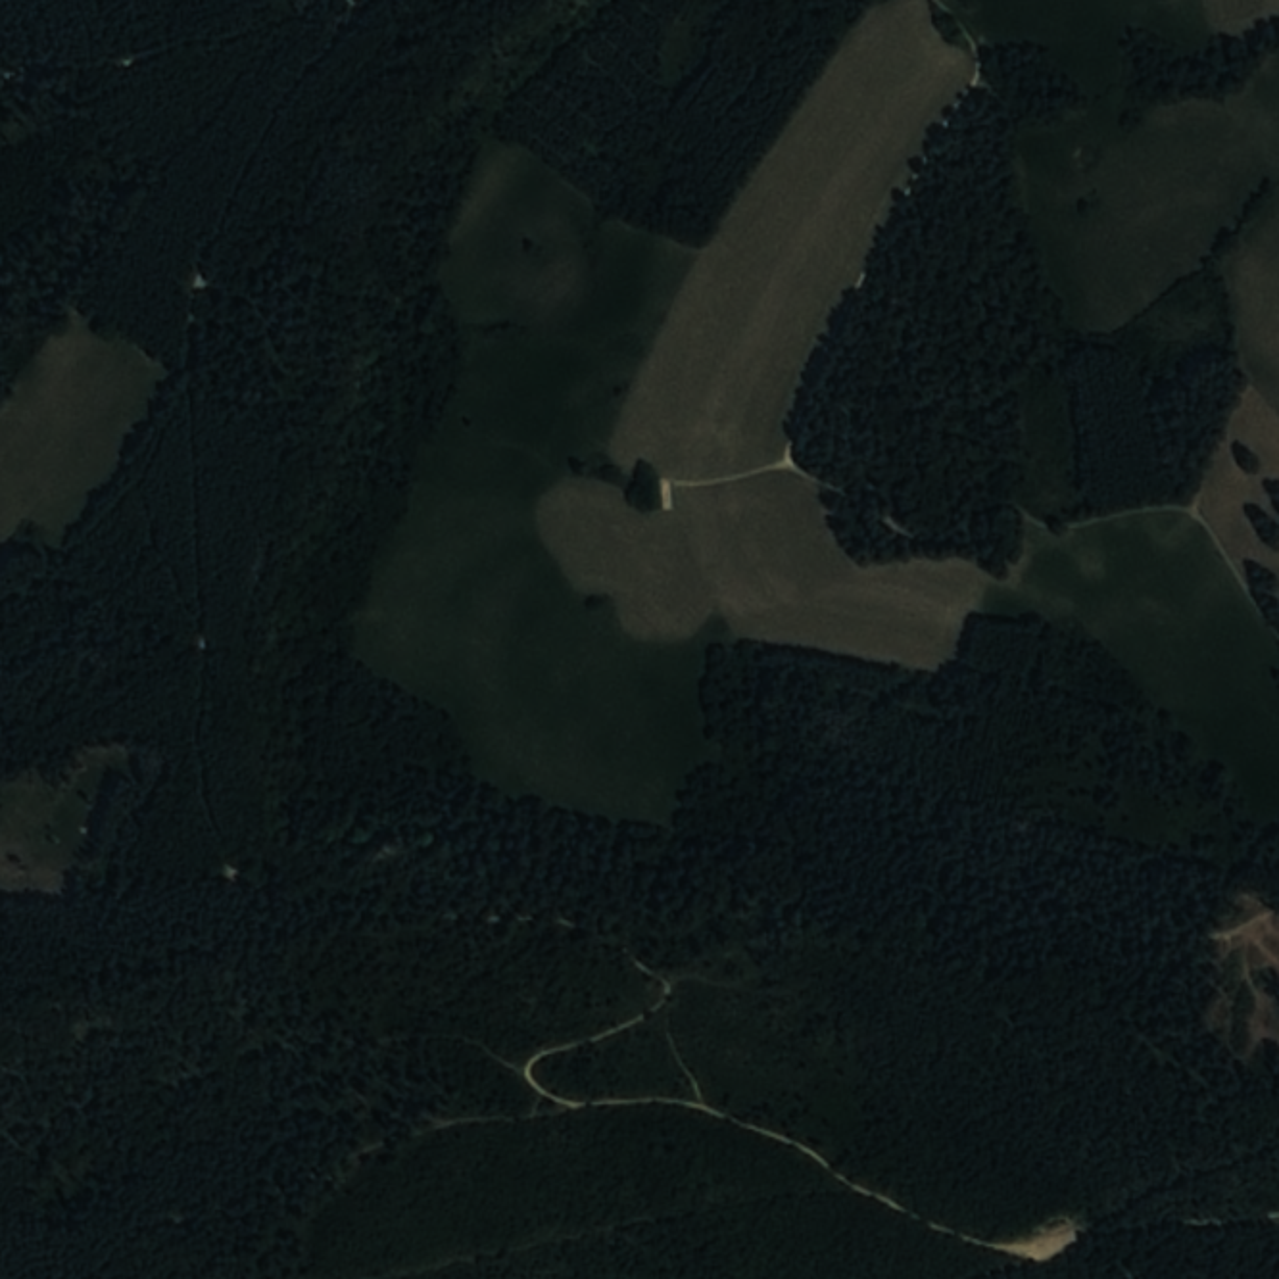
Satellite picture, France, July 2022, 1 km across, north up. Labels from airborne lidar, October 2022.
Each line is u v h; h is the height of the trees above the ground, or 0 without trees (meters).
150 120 13
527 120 20
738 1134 6
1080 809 0
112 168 9
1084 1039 19
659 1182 8
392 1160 15
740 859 37
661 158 20
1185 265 0
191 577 18
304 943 23
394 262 19
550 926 13
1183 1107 14
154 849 17
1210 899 16
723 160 18
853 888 30
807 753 18
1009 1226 16
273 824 25
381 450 25
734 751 11
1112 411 24
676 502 0
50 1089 20
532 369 0
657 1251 9
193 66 12
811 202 0
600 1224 8
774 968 22
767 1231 6
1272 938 0
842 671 26
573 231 0
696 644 0
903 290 18
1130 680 10
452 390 13
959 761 17
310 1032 25
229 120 16
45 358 0
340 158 17
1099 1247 18
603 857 40
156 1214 33
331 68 20
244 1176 29
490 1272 9
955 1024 18
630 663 0
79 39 24
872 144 0
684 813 11
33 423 0
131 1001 20
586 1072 10
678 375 0
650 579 0
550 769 0
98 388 0
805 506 0
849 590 0
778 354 0
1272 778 0
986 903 29
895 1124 17
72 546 9
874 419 13
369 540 19
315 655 17
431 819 30
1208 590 0
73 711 17
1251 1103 23
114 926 29
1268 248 0
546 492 0
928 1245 12
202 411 16
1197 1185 20
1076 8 0
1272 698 0
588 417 0
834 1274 11
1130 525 0
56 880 0
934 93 0
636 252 0
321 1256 7
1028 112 16
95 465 0
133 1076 24
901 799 25
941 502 22
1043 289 19
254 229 15
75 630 23
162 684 17
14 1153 24
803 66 18
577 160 15
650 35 18
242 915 22
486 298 0
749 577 0
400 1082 31
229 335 11
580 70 20
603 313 0
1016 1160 21
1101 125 0
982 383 9
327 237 16
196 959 26
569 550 0
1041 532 0
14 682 26
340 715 21
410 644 0
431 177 19
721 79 18
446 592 0
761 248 0
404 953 14
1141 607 0
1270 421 0
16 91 32
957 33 15
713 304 0
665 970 14
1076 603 0
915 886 31
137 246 20
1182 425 30
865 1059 13
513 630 0
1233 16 0
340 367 13
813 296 0
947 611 0
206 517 14
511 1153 8
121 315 19
